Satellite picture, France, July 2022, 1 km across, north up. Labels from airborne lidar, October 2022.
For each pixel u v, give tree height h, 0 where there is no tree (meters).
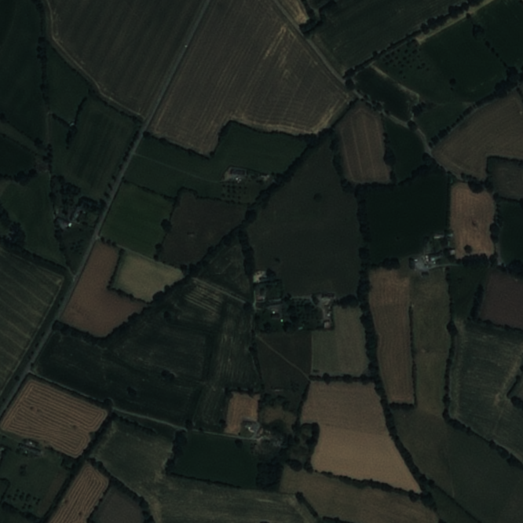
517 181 0
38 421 0
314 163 0
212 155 10
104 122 0
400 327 0
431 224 0
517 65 0
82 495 0
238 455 0
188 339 0
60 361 0
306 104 0
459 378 0
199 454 0
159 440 0
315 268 0
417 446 0
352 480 7
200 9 0
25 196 0
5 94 0
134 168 0
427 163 15
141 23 0
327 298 0
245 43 0
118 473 0
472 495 0
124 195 0
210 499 0
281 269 0
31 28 0
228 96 0
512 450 0
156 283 0
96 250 0
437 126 0
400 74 6
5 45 0
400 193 0
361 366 0
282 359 0
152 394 0
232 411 0
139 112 0
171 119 0
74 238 0
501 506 0
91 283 0
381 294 0
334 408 0
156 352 0
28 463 0
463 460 0
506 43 0
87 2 0
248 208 6
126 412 0
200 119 0
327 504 0
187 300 0
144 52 0
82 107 11
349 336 0
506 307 0
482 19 0
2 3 0
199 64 0
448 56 0
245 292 0
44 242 0
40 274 0
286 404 9
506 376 0
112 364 0
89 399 6
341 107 0
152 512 0
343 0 0
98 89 0
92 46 0
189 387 0
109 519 0
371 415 0
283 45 0
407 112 0
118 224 0
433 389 0
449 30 0
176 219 0
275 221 0
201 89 0
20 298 0
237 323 0
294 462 12
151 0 0
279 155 0
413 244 0
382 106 11
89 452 11
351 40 0
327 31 0
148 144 0
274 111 0
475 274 0
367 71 0
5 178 7
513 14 0
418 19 0
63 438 0
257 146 0
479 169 0
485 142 0
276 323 0
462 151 0
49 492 0
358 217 9
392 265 16
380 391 17
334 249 0
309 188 0
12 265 0
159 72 0
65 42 0
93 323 0
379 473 0
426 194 0
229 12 0
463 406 0
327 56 0
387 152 12
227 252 0
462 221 0
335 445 0
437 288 0
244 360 0
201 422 0
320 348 0
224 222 0
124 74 0
